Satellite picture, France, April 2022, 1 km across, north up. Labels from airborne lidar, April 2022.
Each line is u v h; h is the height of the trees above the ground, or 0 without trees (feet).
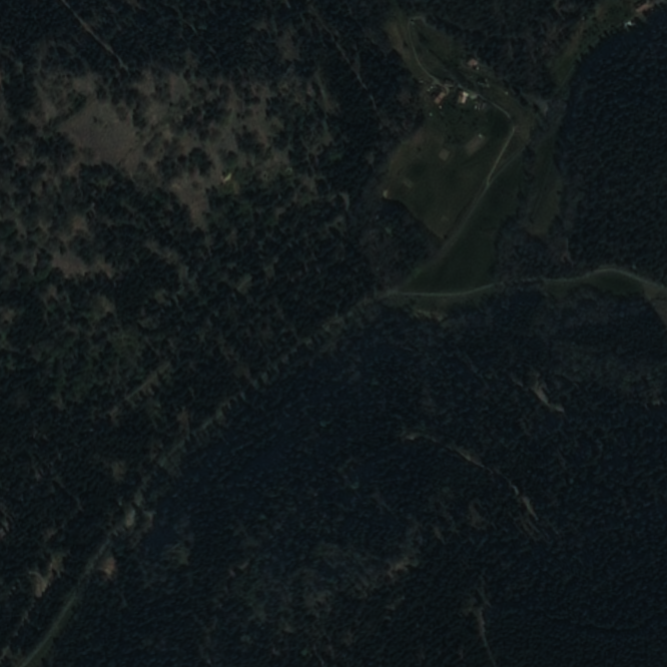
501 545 67
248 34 67
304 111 42
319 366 75
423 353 21
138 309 64
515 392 106
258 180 63
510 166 0
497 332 80
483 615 0
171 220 78
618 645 79
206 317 83
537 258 94
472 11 82
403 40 0
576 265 75
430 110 0
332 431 73
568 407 39
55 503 79
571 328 94
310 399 34
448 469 51
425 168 0
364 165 93
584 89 100
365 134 84
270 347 29
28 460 101
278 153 0
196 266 101
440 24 91
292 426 96
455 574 89
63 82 56
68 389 25
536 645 74
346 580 39
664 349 85
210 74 29
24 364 73
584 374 105
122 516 79
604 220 92
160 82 50
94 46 64
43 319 77
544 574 101
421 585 90
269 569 58
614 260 90
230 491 68
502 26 73
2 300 48
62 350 94
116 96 70
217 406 28
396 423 43
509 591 86
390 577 60
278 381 63
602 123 91
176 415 19
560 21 87
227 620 73
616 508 101
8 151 46
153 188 81
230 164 70
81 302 62
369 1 101
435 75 0
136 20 69
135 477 47
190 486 40
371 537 57
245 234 60
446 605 87
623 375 101
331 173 59
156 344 62
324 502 46
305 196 76
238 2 21
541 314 121
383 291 29
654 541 91
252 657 81
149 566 57
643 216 76
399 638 80
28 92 52
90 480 64
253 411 80
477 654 51
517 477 46
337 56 32
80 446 93
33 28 82
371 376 94
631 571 99
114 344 28
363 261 90
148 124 32
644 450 93
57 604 81
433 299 0
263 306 34
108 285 72
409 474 77
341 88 53
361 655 66
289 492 22
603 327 87
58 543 60
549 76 64
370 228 121
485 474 31
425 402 94
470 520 109
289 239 54
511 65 89
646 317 93
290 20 100
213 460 114
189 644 63
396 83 56
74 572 55
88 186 66
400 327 60
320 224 95
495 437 22
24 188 56
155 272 63
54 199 63
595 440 32
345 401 68
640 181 94
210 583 46
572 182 83
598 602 99
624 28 20
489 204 0
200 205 0
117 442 49
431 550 60
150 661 102
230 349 25
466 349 42
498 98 0
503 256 71
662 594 78
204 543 58
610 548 102
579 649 91
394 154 76
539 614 95
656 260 96
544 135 75
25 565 83
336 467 54
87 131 0
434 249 86
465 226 0
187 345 87
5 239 78
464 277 0
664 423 105
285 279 95
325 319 52
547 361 63
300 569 65
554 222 0
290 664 25
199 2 57
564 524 120
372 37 112
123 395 75
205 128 45
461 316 97
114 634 82
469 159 0
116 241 64
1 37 86
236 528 65
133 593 61
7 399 72
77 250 81
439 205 0
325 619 70
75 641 59
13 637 28
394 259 116
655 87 84
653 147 92
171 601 56
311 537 37
